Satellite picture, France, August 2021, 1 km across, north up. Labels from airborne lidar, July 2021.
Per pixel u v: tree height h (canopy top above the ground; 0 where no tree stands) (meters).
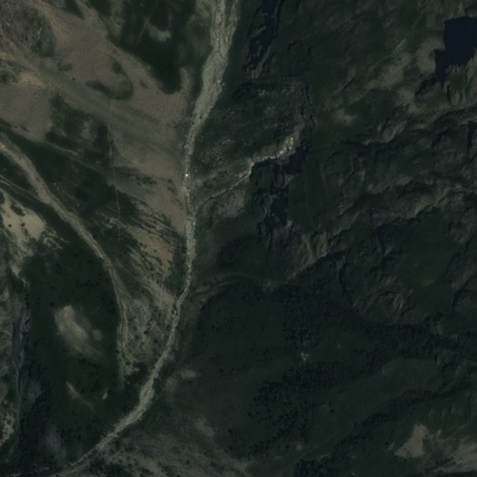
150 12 0
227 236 0
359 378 0
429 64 0
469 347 0
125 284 0
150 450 0
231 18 0
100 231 0
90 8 0
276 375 0
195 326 0
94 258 0
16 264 0
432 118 0
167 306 0
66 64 0
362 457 0
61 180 0
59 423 0
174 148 0
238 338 0
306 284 0
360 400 0
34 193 0
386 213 0
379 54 0
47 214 0
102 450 0
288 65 0
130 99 0
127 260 0
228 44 0
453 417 0
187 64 0
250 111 0
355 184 0
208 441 0
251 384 0
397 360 0
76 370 0
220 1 0
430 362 0
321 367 9
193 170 0
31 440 13
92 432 11
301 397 6
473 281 0
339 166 0
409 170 0
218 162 0
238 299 0
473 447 0
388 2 0
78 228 0
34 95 0
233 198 0
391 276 0
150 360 0
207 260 0
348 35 0
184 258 0
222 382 0
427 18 0
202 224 0
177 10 0
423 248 0
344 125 0
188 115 0
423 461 0
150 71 0
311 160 0
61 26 0
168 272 0
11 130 0
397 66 0
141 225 6
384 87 0
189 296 0
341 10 0
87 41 0
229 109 0
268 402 15
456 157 0
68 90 0
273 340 0
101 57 0
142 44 0
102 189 0
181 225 0
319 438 0
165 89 0
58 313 0
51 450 0
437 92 0
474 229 0
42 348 0
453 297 0
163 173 0
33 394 0
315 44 0
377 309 0
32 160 0
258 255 0
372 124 0
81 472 0
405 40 0
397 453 0
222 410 0
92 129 0
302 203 0
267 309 0
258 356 0
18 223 0
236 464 0
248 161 0
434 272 0
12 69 0
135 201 0
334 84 0
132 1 0
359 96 0
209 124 0
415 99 0
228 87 0
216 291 0
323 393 0
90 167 0
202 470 0
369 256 0
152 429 0
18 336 0
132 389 7
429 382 0
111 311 10
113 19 0
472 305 0
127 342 0
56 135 0
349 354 0
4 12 0
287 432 9
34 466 6
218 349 0
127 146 0
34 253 0
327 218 0
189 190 0
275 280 0
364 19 0
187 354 0
